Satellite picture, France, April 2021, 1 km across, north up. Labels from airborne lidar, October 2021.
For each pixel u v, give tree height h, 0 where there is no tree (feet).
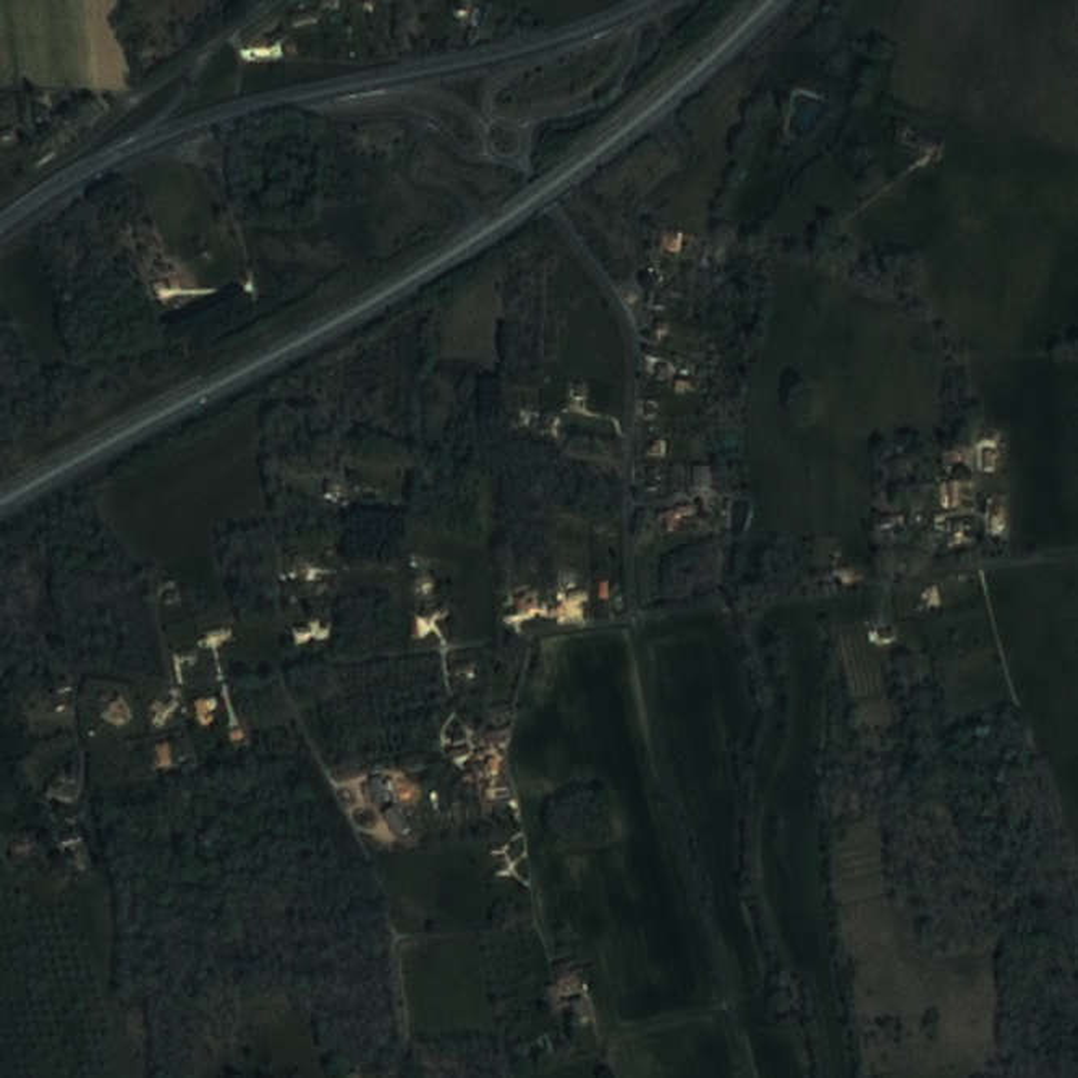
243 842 69
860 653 0
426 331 49
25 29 0
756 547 0
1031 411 0
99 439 0
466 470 71
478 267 28
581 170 0
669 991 0
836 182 0
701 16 24
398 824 0
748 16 0
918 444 72
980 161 0
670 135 0
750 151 52
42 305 0
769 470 0
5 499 0
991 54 0
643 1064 0
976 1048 0
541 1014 32
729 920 0
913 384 0
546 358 25
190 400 0
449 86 22
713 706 0
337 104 0
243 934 76
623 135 0
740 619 45
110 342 83
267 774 71
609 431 0
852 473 0
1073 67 0
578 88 37
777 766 0
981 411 52
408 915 0
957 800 63
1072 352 50
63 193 0
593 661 0
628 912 0
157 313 45
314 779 26
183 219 0
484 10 23
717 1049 0
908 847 63
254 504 0
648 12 0
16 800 30
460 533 67
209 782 57
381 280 0
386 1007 48
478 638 0
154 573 42
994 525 0
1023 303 0
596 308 0
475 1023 0
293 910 74
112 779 0
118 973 63
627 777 0
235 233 36
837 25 45
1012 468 0
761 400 0
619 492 47
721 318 56
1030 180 0
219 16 26
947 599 0
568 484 78
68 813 33
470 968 0
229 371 0
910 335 0
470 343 0
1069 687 0
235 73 0
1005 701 19
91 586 45
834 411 0
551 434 47
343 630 59
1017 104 0
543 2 0
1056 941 74
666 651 0
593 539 0
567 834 68
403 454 77
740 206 0
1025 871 87
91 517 52
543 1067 56
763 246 61
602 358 0
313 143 37
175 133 0
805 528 0
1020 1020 49
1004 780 77
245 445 0
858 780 44
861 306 0
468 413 36
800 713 0
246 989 84
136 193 24
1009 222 0
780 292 0
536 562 40
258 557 51
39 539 41
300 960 41
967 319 0
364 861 29
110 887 27
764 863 0
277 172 26
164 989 77
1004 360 0
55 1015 19
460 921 0
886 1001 0
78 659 45
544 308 20
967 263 0
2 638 40
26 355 57
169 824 73
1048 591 0
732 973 0
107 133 0
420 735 38
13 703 57
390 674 23
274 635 0
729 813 0
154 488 0
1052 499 0
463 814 0
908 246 0
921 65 0
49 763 0
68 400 66
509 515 71
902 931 0
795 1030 0
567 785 0
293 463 92
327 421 56
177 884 77
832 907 30
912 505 70
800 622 0
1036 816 75
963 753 73
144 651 32
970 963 0
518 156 0
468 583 0
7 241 0
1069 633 0
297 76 0
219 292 0
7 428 81
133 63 21
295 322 0
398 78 0
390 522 57
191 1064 45
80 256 32
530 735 0
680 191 0
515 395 30
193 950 52
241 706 71
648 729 0
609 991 0
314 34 0
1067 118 0
